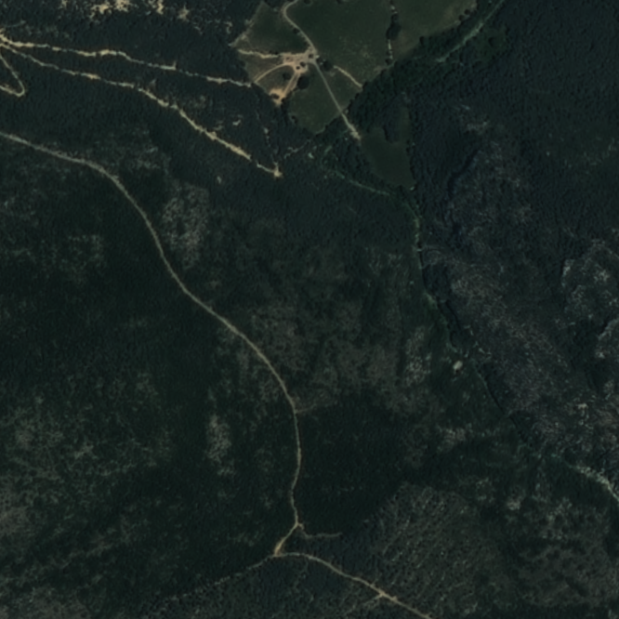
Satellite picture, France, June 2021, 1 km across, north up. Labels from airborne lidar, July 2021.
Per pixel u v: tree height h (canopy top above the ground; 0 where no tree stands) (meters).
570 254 8
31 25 6
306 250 8
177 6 6
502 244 7
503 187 7
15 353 5
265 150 9
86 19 12
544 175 8
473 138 10
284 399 5
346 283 6
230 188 7
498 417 7
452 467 6
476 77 13
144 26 11
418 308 38
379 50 0
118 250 10
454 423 8
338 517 7
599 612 6
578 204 7
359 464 10
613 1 16
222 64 14
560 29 11
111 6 8
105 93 6
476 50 11
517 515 5
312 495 9
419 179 9
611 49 11
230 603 7
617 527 12
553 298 9
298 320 7
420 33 0
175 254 6
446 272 9
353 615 10
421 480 10
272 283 7
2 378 8
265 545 8
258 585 7
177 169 9
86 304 8
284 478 7
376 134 0
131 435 7
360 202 11
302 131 15
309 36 0
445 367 8
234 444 7
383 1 0
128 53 11
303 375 7
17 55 9
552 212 6
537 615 7
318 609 8
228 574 11
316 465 6
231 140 9
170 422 6
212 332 7
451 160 8
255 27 0
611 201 7
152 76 10
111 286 7
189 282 8
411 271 12
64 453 7
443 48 8
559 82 10
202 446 6
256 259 8
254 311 6
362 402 7
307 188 10
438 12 0
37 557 6
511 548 7
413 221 12
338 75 0
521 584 7
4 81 10
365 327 8
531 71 9
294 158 10
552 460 9
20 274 6
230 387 5
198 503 8
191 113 6
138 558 6
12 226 6
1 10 13
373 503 10
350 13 0
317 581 12
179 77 13
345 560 11
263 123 9
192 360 6
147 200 8
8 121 8
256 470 8
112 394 5
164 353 7
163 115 10
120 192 8
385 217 19
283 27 0
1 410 6
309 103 0
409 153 8
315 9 0
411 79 10
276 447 6
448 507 8
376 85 13
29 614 0
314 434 7
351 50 0
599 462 7
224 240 7
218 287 6
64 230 10
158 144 8
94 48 11
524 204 8
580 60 10
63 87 11
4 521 0
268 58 0
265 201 12
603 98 6
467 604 0
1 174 6
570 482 6
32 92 11
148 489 6
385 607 10
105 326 7
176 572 9
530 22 21
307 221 10
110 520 9
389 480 8
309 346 6
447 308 14
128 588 9
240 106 12
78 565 6
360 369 6
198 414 6
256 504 10
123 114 8
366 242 7
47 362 6
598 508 7
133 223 8
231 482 8
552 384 0
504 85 11
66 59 11
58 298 7
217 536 6
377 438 6
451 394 8
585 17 15
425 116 12
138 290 7
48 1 9
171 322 7
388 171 0
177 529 7
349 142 7
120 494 6
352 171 8
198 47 15
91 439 6
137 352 8
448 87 9
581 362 11
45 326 7
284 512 8
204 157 6
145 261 9
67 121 10
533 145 10
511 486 7
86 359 9
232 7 12
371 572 7
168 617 10
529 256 8
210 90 10
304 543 14
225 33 8
